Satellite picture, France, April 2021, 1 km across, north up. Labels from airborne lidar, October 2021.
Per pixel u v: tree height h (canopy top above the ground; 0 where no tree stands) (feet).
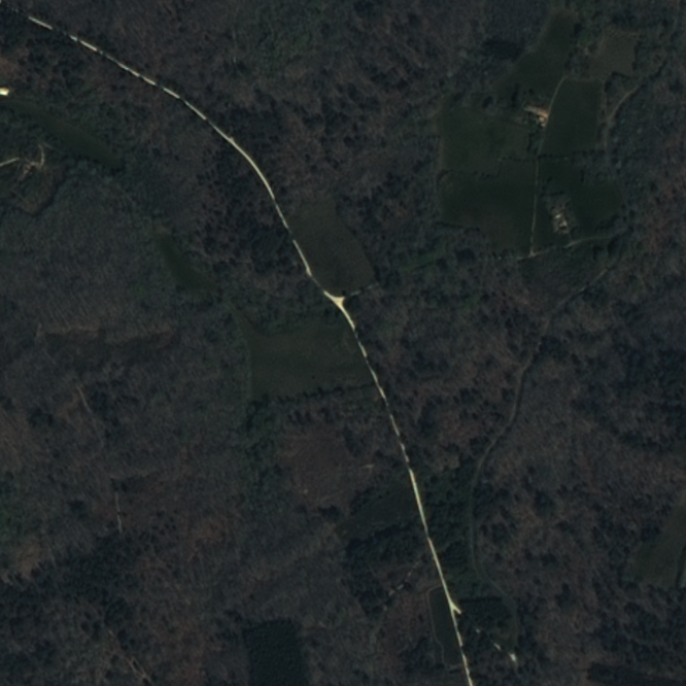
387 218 55
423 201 31
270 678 57
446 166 0
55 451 53
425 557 37
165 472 54
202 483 39
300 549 75
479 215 0
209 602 65
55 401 44
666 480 38
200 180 42
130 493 56
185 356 56
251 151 28
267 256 84
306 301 54
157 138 47
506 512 54
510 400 64
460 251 34
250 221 40
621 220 44
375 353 53
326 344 0
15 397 64
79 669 64
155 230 53
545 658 58
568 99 0
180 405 52
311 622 55
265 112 45
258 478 48
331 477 0
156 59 35
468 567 62
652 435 32
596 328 76
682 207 38
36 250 68
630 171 47
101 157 0
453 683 0
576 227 23
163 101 28
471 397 52
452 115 0
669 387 67
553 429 49
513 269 21
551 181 21
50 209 53
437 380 31
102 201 62
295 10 38
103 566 66
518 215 0
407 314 26
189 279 0
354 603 34
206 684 33
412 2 61
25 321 62
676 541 0
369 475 0
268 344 0
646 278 30
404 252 39
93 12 54
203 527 70
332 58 43
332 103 42
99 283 75
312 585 52
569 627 47
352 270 0
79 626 59
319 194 44
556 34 0
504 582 36
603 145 56
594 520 28
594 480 32
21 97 64
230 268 46
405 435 76
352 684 42
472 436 20
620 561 56
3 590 67
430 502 43
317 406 24
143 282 66
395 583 67
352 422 35
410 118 61
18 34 83
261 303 72
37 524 41
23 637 70
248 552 51
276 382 0
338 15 30
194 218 33
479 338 61
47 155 22
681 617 67
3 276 62
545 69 0
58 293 66
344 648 56
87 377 71
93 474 63
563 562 21
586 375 58
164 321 73
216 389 58
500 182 0
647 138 39
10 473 88
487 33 59
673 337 45
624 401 78
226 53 41
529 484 31
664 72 48
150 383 52
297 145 20
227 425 63
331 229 0
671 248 78
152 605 55
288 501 52
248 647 55
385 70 39
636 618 87
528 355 48
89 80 39
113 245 59
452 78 38
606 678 56
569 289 26
